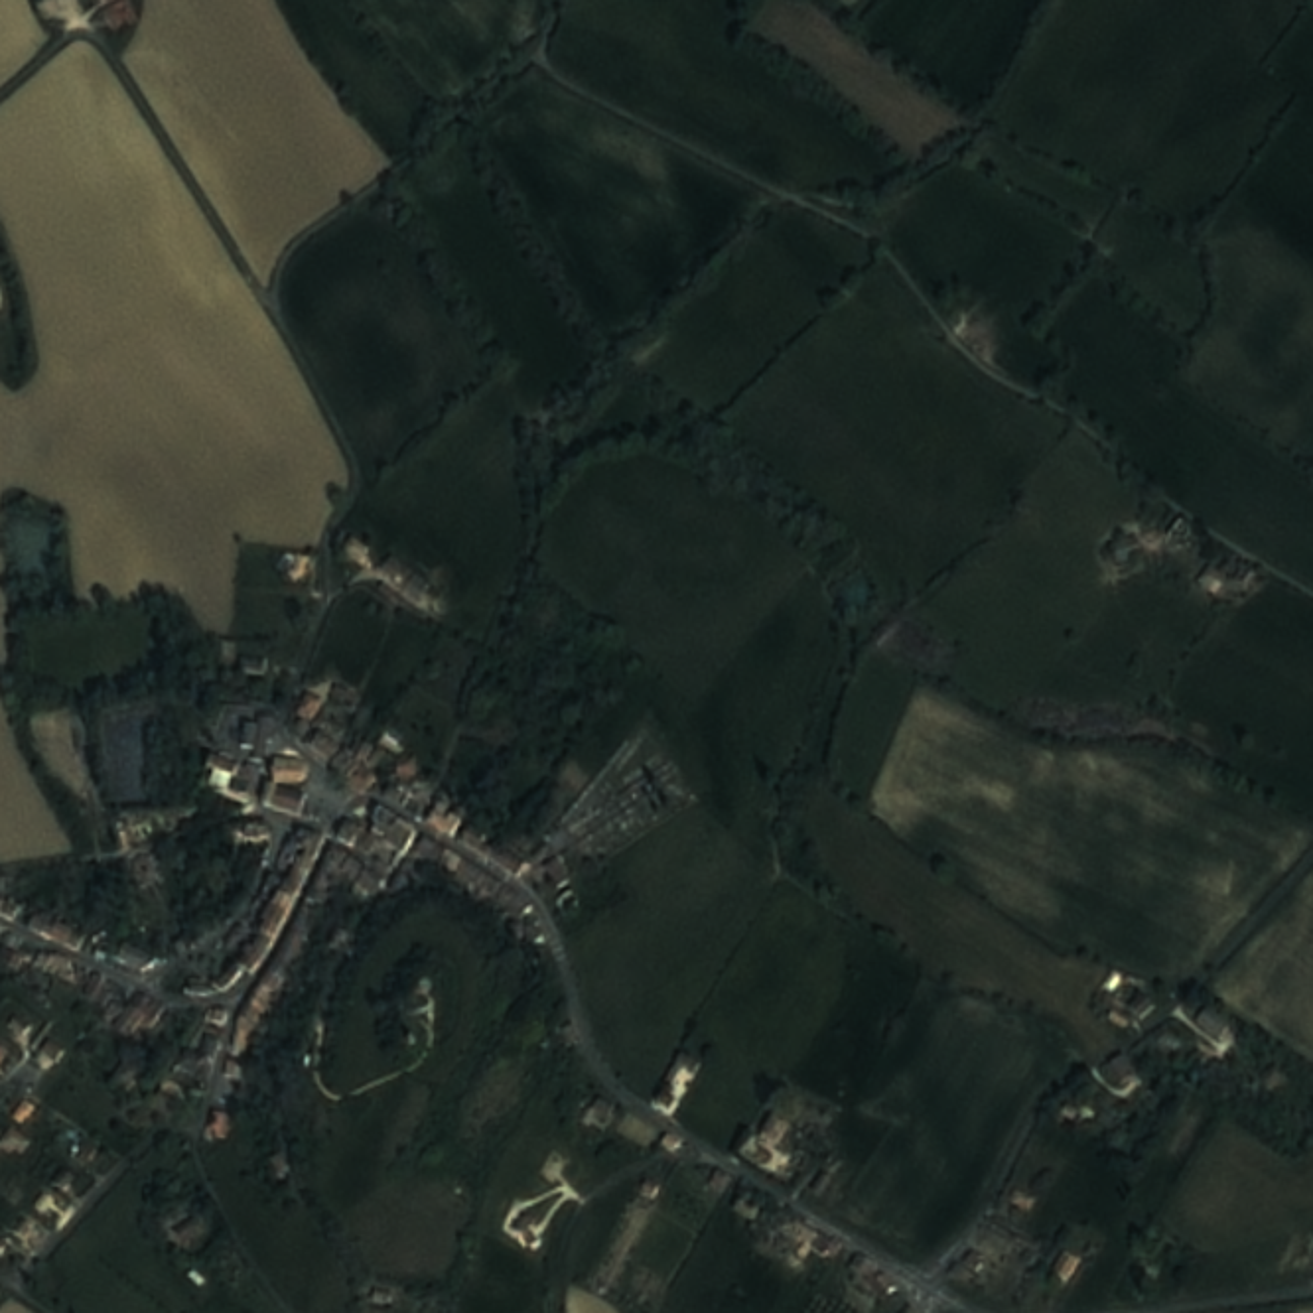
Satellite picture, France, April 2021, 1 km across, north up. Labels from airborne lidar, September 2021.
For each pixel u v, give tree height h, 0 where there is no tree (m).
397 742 0
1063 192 0
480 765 0
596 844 0
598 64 0
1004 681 0
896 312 0
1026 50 6
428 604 0
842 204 10
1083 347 0
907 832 0
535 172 0
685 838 0
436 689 0
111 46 0
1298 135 0
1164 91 0
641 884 0
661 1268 0
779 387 0
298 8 0
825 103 17
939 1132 0
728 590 0
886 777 0
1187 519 11
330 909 10
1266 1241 0
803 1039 0
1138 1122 13
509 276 0
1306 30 0
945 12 0
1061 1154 0
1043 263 0
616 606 0
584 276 0
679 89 0
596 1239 0
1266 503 0
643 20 0
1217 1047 0
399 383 0
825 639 0
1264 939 0
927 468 0
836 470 0
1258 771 0
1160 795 0
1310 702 0
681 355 0
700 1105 0
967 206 0
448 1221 0
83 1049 7
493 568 0
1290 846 0
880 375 0
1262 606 0
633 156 0
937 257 0
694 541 0
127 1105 7
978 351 0
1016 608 0
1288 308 0
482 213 0
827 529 25
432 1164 13
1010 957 0
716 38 0
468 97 8
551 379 0
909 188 12
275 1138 11
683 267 0
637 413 0
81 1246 0
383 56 11
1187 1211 0
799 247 0
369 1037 0
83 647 0
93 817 0
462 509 0
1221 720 0
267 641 10
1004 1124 0
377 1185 0
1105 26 0
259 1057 6
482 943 6
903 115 0
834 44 0
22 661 17
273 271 0
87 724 13
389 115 0
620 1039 0
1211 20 0
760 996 0
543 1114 0
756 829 0
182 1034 7
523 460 10
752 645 0
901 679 0
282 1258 0
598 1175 0
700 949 0
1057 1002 0
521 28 0
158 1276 0
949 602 0
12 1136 0
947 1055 0
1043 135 0
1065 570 0
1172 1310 0
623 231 0
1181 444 0
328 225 0
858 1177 0
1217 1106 9
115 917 22
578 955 0
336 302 0
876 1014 0
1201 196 0
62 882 9
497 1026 7
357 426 0
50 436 0
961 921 0
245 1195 0
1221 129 0
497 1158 8
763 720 0
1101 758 0
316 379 0
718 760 0
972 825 0
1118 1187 0
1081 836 0
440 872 10
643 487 0
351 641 0
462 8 0
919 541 0
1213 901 0
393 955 0
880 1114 0
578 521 0
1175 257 0
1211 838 0
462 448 0
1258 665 0
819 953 0
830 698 0
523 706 12
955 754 0
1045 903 0
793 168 0
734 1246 0
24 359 11
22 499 8
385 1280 12
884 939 11
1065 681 0
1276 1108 12
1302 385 0
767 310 0
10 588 16
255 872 16
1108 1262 0
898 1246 0
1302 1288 0
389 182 12
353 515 0
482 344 13
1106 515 0
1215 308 8
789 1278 0
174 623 18
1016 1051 0
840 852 0
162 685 20
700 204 0
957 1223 0
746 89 0
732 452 22
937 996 0
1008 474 0
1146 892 0
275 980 0
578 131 0
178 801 18
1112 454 9
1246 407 0
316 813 8
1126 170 0
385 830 0
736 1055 0
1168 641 0
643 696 0
